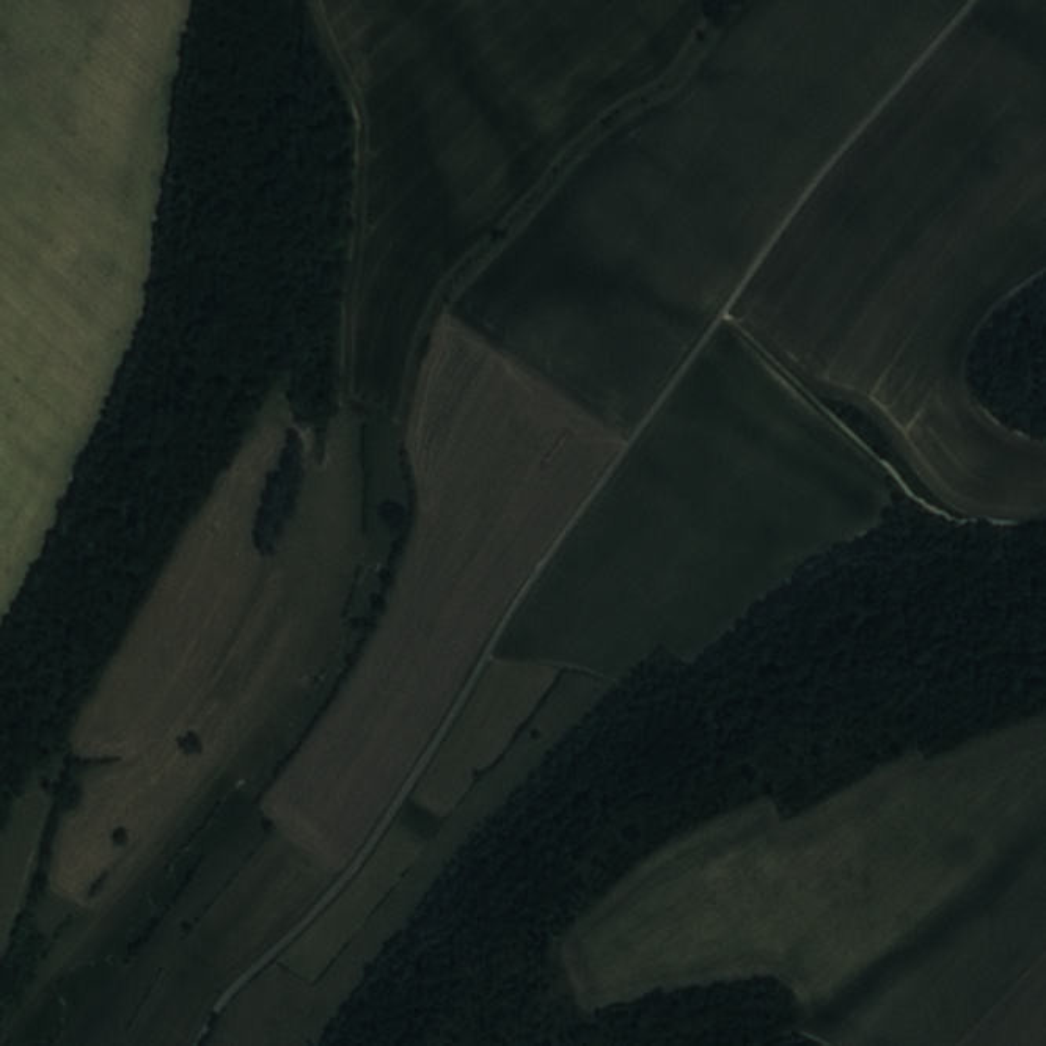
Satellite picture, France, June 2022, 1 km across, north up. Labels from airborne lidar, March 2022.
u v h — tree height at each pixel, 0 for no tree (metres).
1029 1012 0
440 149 0
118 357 0
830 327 0
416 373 0
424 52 0
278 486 20
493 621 0
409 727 0
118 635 13
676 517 0
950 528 8
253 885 0
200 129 16
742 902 0
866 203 0
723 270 0
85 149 0
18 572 0
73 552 18
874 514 0
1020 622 31
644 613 0
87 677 19
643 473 0
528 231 0
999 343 19
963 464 0
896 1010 0
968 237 0
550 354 0
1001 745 0
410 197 0
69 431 0
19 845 0
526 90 0
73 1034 0
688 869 0
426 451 0
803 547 0
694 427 0
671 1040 20
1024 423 18
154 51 0
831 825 0
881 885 0
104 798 0
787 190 0
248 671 0
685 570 0
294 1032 0
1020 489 0
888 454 12
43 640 20
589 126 0
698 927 0
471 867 8
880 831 0
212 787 0
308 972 0
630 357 0
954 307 0
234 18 6
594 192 0
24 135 0
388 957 7
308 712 0
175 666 0
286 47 12
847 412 8
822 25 0
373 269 0
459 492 0
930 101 0
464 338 0
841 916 0
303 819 0
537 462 0
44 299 0
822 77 0
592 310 0
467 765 0
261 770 0
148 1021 0
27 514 0
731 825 0
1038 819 0
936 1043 0
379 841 0
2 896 0
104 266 0
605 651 0
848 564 9
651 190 0
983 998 0
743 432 0
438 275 0
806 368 0
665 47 0
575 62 0
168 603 0
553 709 0
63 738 16
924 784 0
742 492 0
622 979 0
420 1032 21
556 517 0
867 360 0
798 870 0
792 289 0
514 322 0
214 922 0
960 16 0
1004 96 0
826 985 0
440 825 0
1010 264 0
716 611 0
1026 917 0
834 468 0
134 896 0
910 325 0
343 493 0
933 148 0
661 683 17
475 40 0
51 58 0
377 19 0
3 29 0
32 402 0
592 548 0
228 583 0
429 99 0
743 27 0
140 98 0
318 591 0
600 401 0
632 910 0
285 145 26
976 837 0
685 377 0
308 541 0
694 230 0
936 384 0
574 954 0
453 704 0
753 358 0
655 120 0
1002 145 0
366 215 0
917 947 0
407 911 0
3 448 0
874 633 21
